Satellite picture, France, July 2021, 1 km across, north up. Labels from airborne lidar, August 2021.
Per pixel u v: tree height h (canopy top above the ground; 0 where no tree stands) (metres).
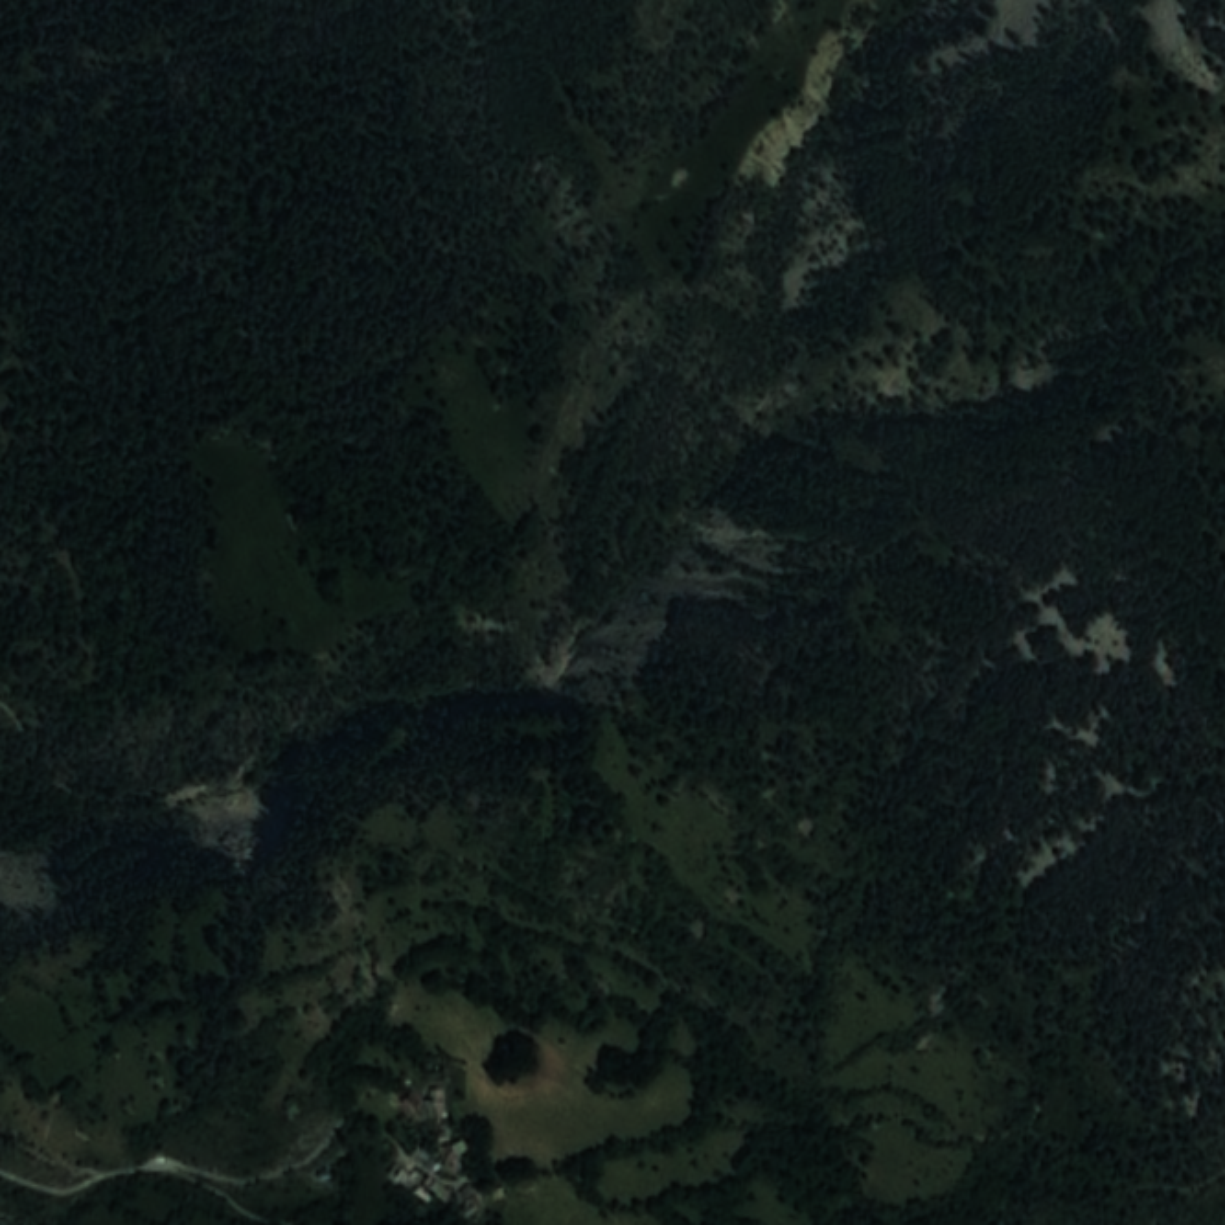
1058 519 15
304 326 23
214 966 0
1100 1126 13
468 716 26
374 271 28
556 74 19
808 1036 9
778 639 18
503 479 0
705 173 0
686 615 12
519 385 10
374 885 9
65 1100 8
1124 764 11
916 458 19
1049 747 20
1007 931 12
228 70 19
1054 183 19
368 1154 9
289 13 16
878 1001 0
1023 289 20
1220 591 21
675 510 17
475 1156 17
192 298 20
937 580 22
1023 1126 7
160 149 15
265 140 13
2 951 10
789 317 8
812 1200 16
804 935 0
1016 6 0
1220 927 12
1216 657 24
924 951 8
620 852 7
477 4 12
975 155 16
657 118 11
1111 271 21
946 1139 8
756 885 9
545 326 18
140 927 16
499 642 8
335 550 13
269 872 10
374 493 10
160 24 18
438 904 9
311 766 21
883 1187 0
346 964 0
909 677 9
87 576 12
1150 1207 9
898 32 9
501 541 13
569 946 10
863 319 18
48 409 14
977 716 19
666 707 16
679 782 7
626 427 12
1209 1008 9
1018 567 14
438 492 21
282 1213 8
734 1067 8
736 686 16
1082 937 15
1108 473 24
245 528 0
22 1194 9
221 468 0
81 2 8
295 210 24
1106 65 13
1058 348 12
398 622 14
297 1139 0
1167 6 0
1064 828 13
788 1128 11
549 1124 0
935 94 8
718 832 0
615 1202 9
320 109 12
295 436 10
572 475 15
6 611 6
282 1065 6
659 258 0
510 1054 24
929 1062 0
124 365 29
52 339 11
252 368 7
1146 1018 17
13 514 21
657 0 0
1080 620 15
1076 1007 8
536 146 9
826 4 0
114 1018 12
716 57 17
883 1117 8
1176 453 18
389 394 13
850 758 11
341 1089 9
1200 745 15
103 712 12
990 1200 10
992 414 16
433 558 12
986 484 18
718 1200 19
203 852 6
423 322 17
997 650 14
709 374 9
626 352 7
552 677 0
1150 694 15
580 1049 0
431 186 22
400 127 23
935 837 16
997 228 15
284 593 0
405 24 23
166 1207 0
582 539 13
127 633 11
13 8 6
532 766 7
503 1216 9
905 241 19
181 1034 7
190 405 21
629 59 12
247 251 13
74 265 24
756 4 12
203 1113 6
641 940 13
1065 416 22
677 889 7
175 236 17
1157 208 10
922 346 12
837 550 6
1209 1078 14
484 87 9
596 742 7
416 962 15
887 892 16
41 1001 0
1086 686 18
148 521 11
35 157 20
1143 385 18
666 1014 11
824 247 6
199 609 25
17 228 31
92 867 17
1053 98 8
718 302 9
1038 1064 14
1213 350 0
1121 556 19
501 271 20
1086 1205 10
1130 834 16
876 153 15
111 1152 0
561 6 18
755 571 7
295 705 11
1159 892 15
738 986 8
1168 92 14
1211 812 16
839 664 25
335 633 0
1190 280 15
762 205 7
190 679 11
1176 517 24
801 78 0
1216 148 0
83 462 12
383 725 20
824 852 0
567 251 15
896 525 23
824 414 17
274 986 10
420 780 14
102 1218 0
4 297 11
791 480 21
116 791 23
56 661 9
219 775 8
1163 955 13
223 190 13
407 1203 7
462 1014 0
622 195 0
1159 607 18
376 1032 13
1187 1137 16
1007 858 13
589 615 11
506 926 13
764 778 15
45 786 10
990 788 18
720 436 11
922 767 17
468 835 9
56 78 10
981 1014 7
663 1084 0
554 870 6
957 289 15
